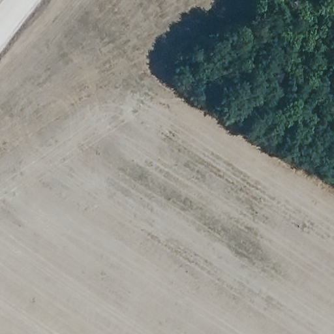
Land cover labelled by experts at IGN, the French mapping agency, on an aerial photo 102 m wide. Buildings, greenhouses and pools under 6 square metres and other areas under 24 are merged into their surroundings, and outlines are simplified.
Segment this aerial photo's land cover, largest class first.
<instances>
[{"label":"plowed land","instance_id":"1","mask_svg":"<svg viewBox=\"0 0 334 334\"><path fill-rule=\"evenodd\" d=\"M38 7H35L0 52V334H334V188L316 176H308L304 171L295 170L282 159L262 153L260 147L250 145L243 136L228 133L220 127L217 119L205 115L204 111L190 107L184 99L177 97L174 90L164 85L168 78H175L176 68L187 67L188 61L197 53L194 51L196 47H200L210 34L223 31L227 34L228 26L248 27L256 20L257 3L260 0H38Z\"/></svg>","mask_w":334,"mask_h":334},{"label":"deciduous trees","instance_id":"2","mask_svg":"<svg viewBox=\"0 0 334 334\"><path fill-rule=\"evenodd\" d=\"M194 51L197 53L188 61L187 67L176 68L175 78H168L164 85L174 90L177 97L184 99L190 107L204 111L205 115L217 119L220 127L228 133L243 136L250 145L260 147L262 153L282 159L295 170L304 171L308 176H316L334 188V0H260L257 3L256 20L248 27L228 26L227 34L223 31L210 34L200 47H196Z\"/></svg>","mask_w":334,"mask_h":334},{"label":"pervious surface","instance_id":"3","mask_svg":"<svg viewBox=\"0 0 334 334\"><path fill-rule=\"evenodd\" d=\"M38 0H0V52L35 7H38Z\"/></svg>","mask_w":334,"mask_h":334}]
</instances>
